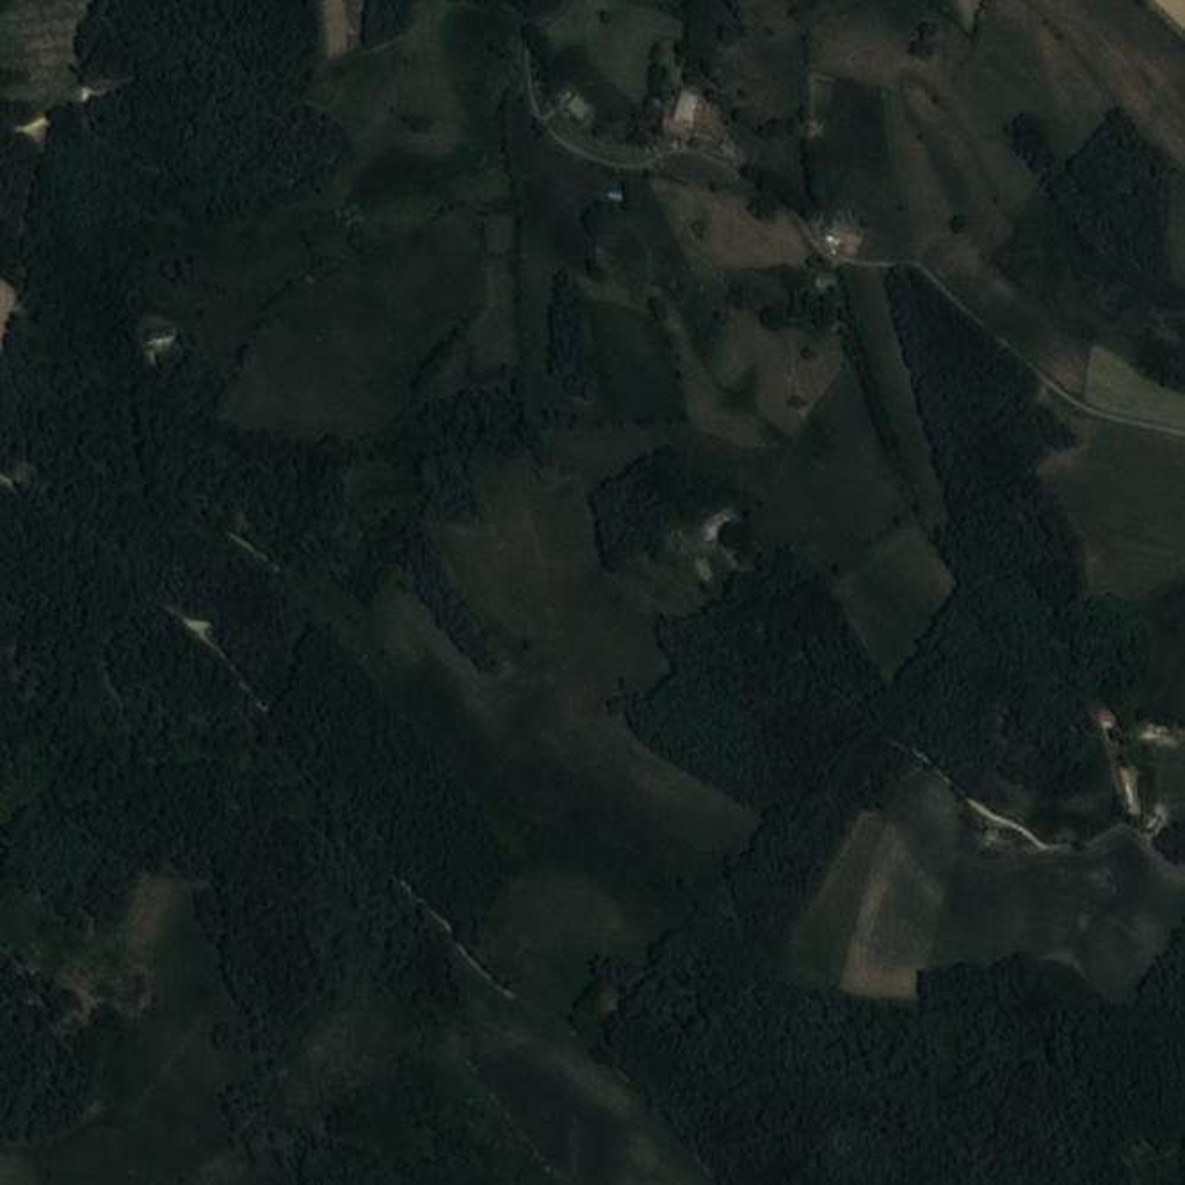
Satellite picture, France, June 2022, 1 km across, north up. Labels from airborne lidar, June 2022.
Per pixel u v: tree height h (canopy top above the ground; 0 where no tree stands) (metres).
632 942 0
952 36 0
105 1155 0
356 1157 32
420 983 14
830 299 15
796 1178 18
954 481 17
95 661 24
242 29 22
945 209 0
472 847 29
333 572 10
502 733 0
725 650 20
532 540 0
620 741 0
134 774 12
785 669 17
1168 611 0
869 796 25
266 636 17
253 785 19
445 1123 8
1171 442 0
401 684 0
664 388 0
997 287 0
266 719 18
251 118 28
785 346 0
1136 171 18
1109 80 0
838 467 0
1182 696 0
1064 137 0
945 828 0
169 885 0
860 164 0
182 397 14
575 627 0
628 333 0
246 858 25
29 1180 0
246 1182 0
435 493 19
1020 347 0
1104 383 0
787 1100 18
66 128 15
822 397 0
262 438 16
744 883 23
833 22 0
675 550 0
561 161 0
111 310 16
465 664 0
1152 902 0
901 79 0
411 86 0
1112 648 6
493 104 0
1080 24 0
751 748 27
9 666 18
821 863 23
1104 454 0
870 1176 21
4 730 21
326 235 0
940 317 18
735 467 0
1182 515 0
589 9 0
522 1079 0
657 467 23
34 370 27
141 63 22
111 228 19
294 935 17
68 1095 27
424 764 24
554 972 0
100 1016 13
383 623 0
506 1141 0
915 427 0
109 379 6
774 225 0
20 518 29
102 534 24
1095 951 0
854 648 21
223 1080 0
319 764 18
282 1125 7
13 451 12
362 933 10
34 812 25
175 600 19
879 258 0
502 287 0
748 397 0
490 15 0
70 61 0
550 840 0
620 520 23
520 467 0
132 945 0
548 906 0
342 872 21
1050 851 0
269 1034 20
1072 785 13
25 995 7
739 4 17
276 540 10
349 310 0
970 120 0
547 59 17
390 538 10
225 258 0
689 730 24
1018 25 0
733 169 0
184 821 24
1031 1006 21
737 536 27
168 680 23
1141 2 7
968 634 24
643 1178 0
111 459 22
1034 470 18
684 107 0
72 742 20
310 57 16
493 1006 0
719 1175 6
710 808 0
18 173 20
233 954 22
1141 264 13
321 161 18
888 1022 20
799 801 22
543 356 0
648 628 0
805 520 0
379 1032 0
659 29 0
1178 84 0
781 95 0
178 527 25
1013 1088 23
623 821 0
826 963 0
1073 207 20
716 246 0
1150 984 20
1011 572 19
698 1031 31
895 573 0
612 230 0
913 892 0
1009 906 0
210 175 18
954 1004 14
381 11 21
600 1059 9
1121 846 0
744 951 13
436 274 0
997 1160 17
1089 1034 23
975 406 20
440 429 6
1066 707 24
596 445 0
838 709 20
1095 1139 22
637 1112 0
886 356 0
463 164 0
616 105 0
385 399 0
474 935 23
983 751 24
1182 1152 7
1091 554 0
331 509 17
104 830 31
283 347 0
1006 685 23
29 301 20
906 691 20
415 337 0
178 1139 0
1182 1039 14
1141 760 0
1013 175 0
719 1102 20
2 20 0
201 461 18
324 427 0
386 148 0
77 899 27
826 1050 18
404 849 28
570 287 17
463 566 0
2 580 28
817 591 24
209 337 0
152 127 21
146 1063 0
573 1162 0
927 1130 18
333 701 26
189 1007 0
